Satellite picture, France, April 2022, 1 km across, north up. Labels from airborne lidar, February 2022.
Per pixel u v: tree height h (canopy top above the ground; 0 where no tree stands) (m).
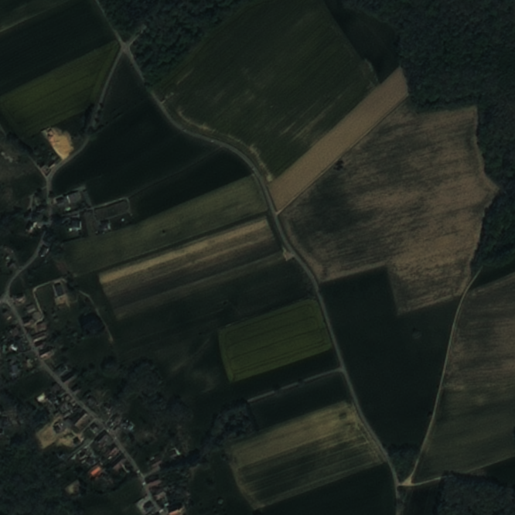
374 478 0
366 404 0
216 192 0
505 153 24
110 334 0
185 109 0
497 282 0
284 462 0
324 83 0
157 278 0
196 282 0
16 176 0
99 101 0
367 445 0
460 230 0
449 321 0
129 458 0
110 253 0
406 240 0
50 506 26
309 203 0
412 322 0
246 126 0
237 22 0
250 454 0
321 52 0
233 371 0
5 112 0
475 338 0
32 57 0
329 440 0
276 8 0
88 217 0
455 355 0
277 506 0
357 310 0
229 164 0
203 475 0
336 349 0
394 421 0
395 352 0
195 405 0
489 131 21
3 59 0
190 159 0
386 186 0
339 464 0
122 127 0
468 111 0
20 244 0
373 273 0
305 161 0
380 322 0
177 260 0
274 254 0
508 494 28
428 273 0
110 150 0
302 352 0
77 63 0
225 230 0
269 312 0
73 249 0
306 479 0
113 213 0
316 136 0
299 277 0
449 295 0
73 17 0
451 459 0
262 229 0
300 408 0
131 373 19
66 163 0
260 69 0
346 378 0
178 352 0
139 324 0
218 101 0
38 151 10
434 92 27
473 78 29
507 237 13
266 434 0
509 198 24
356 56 0
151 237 0
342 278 0
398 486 0
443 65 26
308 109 0
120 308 0
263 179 0
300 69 0
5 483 18
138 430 0
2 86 0
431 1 21
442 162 0
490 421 0
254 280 0
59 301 0
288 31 0
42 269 0
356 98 0
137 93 0
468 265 0
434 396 0
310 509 0
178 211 0
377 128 0
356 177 0
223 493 0
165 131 0
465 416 0
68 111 0
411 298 0
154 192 0
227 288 0
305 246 0
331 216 0
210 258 0
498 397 0
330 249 0
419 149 0
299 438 0
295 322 0
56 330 0
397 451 22
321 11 0
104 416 0
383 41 0
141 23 21
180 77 0
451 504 27
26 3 0
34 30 0
